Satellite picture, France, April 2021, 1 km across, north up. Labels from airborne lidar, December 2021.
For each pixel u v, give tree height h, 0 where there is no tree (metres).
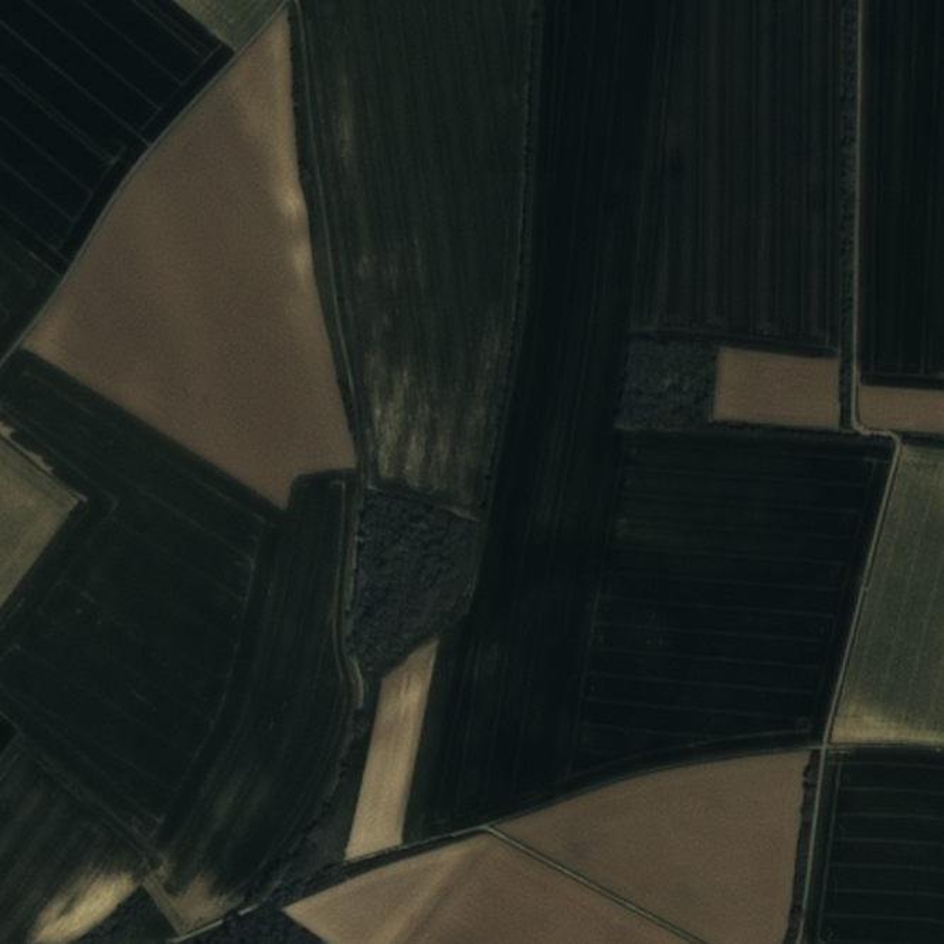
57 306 0
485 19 0
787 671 0
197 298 0
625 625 0
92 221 0
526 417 0
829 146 0
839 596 0
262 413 0
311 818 0
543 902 0
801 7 0
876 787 0
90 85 0
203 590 0
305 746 0
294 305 0
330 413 0
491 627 0
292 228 0
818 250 0
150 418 0
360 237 0
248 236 0
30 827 0
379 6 0
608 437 0
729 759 0
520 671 0
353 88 0
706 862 0
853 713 0
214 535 0
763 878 0
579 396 0
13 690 0
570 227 0
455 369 0
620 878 0
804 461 0
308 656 0
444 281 0
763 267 0
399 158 0
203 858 0
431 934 0
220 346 0
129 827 0
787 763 0
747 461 0
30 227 0
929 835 0
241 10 0
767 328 0
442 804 0
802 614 0
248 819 0
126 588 0
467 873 0
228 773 0
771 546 0
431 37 0
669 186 0
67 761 0
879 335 0
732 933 0
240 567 0
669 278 0
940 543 0
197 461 0
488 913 0
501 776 0
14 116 0
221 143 0
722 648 0
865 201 0
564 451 0
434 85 0
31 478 0
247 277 0
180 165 0
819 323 0
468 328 0
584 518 0
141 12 0
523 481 0
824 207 0
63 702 0
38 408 0
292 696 0
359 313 0
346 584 0
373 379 0
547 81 0
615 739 0
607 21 0
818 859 0
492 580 0
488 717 0
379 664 7
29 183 0
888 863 0
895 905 0
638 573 0
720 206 0
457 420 0
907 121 0
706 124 0
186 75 0
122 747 0
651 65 0
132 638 0
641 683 0
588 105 0
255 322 0
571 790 0
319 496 0
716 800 0
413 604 12
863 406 0
